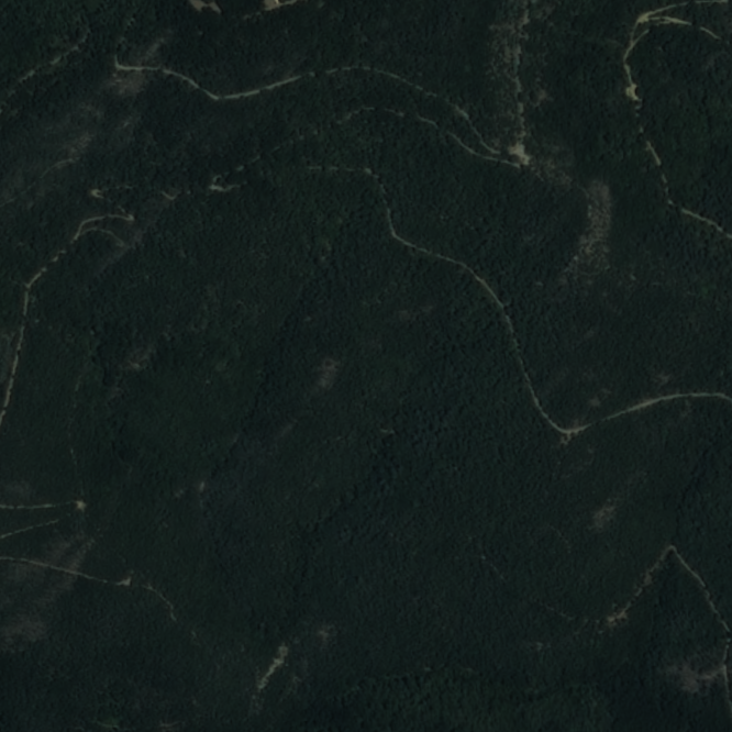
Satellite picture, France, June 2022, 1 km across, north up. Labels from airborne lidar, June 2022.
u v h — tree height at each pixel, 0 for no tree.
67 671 14
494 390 11
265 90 10
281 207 17
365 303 9
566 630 6
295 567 13
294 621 15
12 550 7
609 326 12
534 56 7
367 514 12
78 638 11
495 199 16
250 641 10
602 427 14
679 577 10
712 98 19
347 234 9
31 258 8
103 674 10
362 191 11
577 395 8
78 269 9
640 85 12
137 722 12
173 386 9
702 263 13
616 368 7
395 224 7
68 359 13
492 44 6
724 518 7
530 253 14
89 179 6
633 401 9
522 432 12
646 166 16
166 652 11
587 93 13
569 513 9
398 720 18
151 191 14
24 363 6
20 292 10
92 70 11
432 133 14
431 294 7
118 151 9
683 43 8
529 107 7
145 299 11
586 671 12
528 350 13
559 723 13
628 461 8
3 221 10
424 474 8
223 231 10
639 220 8
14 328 7
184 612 10
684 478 12
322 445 10
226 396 11
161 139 15
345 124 11
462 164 8
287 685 10
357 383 9
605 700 12
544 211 7
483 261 13
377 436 17
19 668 9
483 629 9
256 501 8
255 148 16
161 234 11
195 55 14
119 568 7
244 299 11
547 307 7
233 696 10
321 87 10
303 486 9
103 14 13
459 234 14
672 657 6
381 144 13
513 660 8
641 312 9
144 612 11
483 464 11
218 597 8
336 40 13
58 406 6
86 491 8
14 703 12
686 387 9
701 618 9
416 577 11
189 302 11
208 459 10
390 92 11
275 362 17
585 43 17
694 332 7
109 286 7
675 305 7
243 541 10
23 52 12
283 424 7
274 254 10
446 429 9
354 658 9
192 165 9
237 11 16
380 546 10
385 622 11
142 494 6
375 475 6
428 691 17
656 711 14
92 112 8
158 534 12
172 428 11
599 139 16
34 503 6
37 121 14
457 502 10
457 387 11
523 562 6
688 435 8
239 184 13
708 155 10
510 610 9
